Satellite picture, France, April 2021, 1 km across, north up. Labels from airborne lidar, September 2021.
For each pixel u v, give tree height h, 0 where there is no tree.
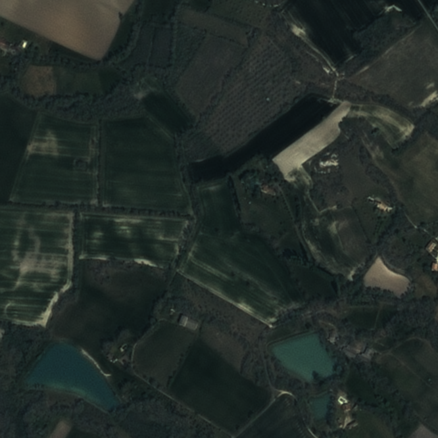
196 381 0
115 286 0
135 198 0
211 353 0
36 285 0
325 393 0
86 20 0
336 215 0
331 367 0
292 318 15
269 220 0
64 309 14
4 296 0
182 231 0
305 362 0
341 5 0
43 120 0
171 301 13
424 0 0
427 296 0
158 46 12
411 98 0
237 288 0
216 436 16
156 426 10
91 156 0
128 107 19
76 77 0
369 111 0
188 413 6
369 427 0
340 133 0
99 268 10
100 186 6
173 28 16
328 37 0
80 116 16
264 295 0
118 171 0
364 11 0
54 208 9
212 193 0
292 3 0
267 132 0
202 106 0
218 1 8
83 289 0
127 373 19
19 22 0
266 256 0
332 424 27
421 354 0
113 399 0
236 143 10
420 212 0
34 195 0
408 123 0
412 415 21
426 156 0
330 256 0
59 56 9
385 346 0
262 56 7
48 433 16
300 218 10
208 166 0
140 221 0
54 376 0
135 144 0
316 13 0
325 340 20
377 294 13
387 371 0
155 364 0
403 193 0
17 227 0
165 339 0
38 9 0
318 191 10
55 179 0
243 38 0
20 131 0
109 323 0
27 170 0
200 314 6
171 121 0
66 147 0
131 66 9
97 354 0
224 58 0
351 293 13
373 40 10
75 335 0
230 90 10
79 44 0
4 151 0
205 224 0
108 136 0
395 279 0
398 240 11
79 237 10
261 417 0
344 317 0
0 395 7
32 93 0
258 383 13
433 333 14
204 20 0
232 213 0
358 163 0
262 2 11
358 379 0
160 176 0
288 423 0
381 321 0
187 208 0
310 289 0
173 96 13
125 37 0
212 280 0
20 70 15
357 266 0
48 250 0
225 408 0
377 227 7
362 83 0
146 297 0
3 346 6
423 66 0
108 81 0
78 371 0
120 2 0
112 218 0
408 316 20
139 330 0
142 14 15
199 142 8
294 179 0
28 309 0
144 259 0
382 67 0
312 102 0
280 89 8
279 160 0
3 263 0
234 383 0
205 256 0
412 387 0
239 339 13
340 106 0
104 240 0
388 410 17
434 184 0
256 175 14
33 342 10
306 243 0
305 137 0
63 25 0
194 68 0
